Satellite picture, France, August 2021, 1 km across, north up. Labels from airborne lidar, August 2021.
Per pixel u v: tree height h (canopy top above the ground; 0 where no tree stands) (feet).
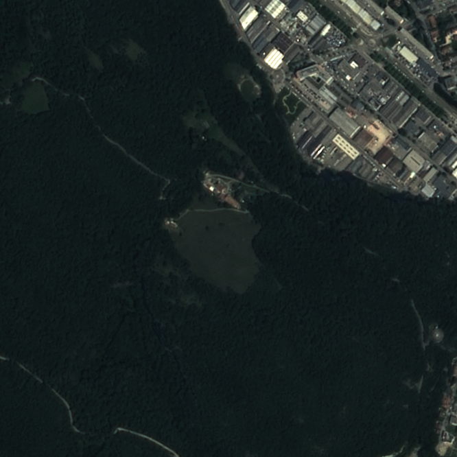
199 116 28
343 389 28
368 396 30
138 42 23
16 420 29
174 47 71
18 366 62
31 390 20
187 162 45
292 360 20
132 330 52
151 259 23
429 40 74
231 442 31
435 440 53
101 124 38
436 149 24
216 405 29
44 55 38
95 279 44
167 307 28
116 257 60
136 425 38
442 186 0
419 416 65
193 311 18
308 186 52
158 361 63
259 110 57
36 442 20
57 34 32
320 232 74
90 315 41
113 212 35
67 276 39
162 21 29
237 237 0
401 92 0
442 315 63
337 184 41
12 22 70
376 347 32
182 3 67
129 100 27
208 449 60
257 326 35
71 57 58
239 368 23
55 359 41
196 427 26
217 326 31
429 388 28
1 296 46
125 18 66
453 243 26
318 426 22
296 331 25
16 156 39
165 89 49
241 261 0
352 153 0
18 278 62
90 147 25
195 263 0
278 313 38
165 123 46
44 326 52
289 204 31
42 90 0
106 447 56
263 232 31
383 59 39
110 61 30
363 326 20
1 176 49
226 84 51
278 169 50
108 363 56
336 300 47
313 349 36
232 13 0
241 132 66
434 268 29
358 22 0
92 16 33
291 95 0
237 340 21
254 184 30
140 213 48
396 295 39
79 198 54
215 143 44
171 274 22
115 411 48
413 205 151
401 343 39
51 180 21
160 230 42
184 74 45
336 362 49
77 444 32
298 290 36
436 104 46
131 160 33
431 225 32
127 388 41
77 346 36
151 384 80
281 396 25
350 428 37
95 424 70
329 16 59
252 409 32
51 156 37
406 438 62
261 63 0
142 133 44
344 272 49
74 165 27
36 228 20
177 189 41
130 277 56
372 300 28
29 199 21
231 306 31
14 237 54
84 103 38
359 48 0
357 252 50
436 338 0
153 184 33
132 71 37
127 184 19
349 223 65
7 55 51
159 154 32
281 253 43
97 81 69
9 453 48
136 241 57
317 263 52
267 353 19
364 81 0
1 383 21
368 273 34
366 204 57
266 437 22
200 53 56
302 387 23
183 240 0
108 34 64
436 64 0
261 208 34
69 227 39
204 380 22
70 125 30
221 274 0
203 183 45
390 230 39
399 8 22
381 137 0
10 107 22
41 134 65
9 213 47
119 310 42
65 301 40
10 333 45
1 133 29
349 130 0
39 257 28
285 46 0
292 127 0
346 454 40
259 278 19
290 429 39
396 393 40
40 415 26
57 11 21
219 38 52
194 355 27
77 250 35
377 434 68
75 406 30
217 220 0
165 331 32
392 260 24
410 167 0
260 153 30
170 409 63
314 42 0
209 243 0
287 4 0
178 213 38
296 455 26
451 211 56
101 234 71
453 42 0
